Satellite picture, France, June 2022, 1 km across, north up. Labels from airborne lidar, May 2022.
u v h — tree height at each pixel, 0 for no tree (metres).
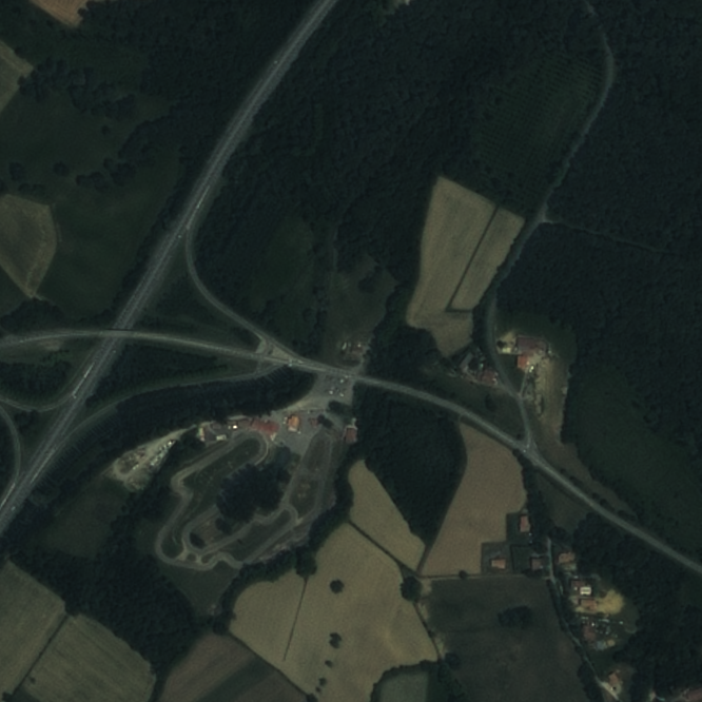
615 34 29
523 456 10
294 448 0
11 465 12
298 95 12
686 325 20
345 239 16
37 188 6
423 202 12
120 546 29
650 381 17
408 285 14
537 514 16
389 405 10
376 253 19
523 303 23
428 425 9
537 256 22
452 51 27
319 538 26
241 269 30
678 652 24
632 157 22
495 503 0
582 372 19
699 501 0
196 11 8
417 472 15
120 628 17
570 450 0
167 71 21
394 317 22
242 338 12
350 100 30
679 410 18
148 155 26
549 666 0
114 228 0
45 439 0
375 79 29
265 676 0
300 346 8
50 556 7
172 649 22
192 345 0
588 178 25
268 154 15
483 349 11
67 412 0
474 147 25
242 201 16
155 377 18
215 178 0
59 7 0
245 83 16
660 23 35
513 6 22
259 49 16
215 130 17
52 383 16
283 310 0
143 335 0
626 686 0
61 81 27
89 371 0
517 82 22
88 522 0
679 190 24
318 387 0
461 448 12
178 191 11
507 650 0
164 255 0
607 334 20
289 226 0
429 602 0
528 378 0
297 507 0
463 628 0
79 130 0
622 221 23
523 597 0
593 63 11
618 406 0
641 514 19
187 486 0
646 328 18
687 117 16
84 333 0
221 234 14
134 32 25
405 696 0
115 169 16
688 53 36
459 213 0
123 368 17
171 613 13
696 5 30
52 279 0
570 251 26
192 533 0
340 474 10
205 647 0
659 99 21
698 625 23
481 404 0
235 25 15
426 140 12
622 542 14
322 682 11
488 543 0
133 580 18
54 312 15
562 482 0
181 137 26
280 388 10
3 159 0
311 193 22
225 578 0
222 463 0
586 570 17
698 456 27
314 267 0
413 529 17
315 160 21
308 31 0
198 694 0
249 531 0
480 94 27
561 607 14
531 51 18
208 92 23
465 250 0
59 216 0
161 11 24
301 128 18
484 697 0
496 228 0
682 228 20
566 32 12
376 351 13
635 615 0
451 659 18
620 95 24
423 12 27
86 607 16
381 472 9
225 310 0
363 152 26
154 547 0
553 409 0
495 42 20
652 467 0
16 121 0
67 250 0
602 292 24
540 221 0
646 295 20
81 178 18
